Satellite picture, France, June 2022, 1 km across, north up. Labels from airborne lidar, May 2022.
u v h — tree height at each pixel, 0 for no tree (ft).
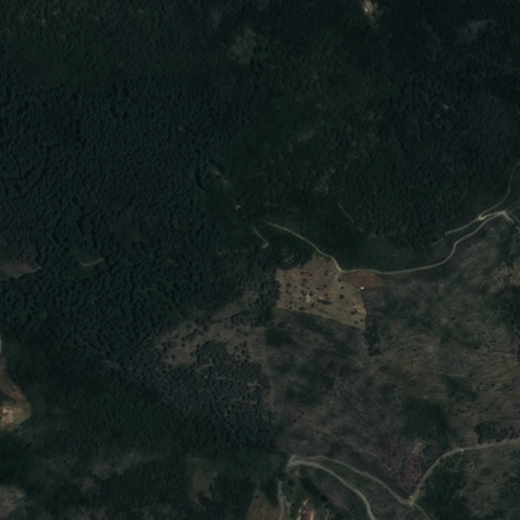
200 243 109
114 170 110
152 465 41
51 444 28
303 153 40
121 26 35
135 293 135
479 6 34
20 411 0
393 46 59
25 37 38
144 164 88
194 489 0
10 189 126
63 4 34
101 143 98
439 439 34
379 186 35
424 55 52
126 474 37
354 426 0
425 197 25
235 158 69
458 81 26
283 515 0
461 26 31
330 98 33
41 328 44
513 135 21
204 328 30
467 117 25
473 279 0
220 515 39
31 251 44
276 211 25
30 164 105
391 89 58
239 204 22
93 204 76
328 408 0
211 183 114
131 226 38
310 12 37
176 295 101
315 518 0
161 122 62
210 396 61
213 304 73
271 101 62
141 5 46
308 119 27
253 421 76
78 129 31
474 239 0
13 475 30
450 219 20
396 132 45
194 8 56
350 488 0
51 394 54
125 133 103
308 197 34
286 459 26
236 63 51
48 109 86
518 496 28
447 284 0
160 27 42
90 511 25
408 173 54
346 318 0
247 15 56
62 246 92
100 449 48
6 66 67
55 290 106
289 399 0
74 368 72
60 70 57
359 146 29
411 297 0
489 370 0
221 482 43
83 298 110
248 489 41
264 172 27
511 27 55
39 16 40
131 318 92
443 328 0
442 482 32
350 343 0
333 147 26
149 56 41
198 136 66
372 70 59
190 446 46
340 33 68
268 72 31
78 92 61
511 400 0
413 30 71
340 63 47
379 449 0
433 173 33
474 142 26
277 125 68
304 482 36
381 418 0
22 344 30
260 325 46
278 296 47
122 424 57
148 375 53
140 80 53
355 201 38
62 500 39
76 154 92
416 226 44
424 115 27
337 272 0
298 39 33
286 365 0
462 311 0
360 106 55
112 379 64
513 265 22
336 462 0
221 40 34
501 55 31
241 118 72
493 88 57
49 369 53
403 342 0
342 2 55
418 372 0
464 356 0
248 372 74
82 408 65
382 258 0
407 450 0
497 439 56
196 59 61
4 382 0
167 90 95
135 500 33
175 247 76
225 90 51
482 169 37
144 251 96
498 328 0
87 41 45
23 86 94
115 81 70
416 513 0
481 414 0
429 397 0
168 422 38
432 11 72
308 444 0
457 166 36
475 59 44
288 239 22
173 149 90
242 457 35
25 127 65
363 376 0
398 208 25
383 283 0
